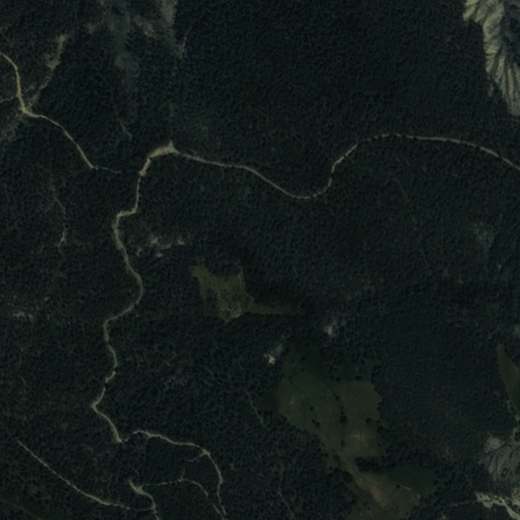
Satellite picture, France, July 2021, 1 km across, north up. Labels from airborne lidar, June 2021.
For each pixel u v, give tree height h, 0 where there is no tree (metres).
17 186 9
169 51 7
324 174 13
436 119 7
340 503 11
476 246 8
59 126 7
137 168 10
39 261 7
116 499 18
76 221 14
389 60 22
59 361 8
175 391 16
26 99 6
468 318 9
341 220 17
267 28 14
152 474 10
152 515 7
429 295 20
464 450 8
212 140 7
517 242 10
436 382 9
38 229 12
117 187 11
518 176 11
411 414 8
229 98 15
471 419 9
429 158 19
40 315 8
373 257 15
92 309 10
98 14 9
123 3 0
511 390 0
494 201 8
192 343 14
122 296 7
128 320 13
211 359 26
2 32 9
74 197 11
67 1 11
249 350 17
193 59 14
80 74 11
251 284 11
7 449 12
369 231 15
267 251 15
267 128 11
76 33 8
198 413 12
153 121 19
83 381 10
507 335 7
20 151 12
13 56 8
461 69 14
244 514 13
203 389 11
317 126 7
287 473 14
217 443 6
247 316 11
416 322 16
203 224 13
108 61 19
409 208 8
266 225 8
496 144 9
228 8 14
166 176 8
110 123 10
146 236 8
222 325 11
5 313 8
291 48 7
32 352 11
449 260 11
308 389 0
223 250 18
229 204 9
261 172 7
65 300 14
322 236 19
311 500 8
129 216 8
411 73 14
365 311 16
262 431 10
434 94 16
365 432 0
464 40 16
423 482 0
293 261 12
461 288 16
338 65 6
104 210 7
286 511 14
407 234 13
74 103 7
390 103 14
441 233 12
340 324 10
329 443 0
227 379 16
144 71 10
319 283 11
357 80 15
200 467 7
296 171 10
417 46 16
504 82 0
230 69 13
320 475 11
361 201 14
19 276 17
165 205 13
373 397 0
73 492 7
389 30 21
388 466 12
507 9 0
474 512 9
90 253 11
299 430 13
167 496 8
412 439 10
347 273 13
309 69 7
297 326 17
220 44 17
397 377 8
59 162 12
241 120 12
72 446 11
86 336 5
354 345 17
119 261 9
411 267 12
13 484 16
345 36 20
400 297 12
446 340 16
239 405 9
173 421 11
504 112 8
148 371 9
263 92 11
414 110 11
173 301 18
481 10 0
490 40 0
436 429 8
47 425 9
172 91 13
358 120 12
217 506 7
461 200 16
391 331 13
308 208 7
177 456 6
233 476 7
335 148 14
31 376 12
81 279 7
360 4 20
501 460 0
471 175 18
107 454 10
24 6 8
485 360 13
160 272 17
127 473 10
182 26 12
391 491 0
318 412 0
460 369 15
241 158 10
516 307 9
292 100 12
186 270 15
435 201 11
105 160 11
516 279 10
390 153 8
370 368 0
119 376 15
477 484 9
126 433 10
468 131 7
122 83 18
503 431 11
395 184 11
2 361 9
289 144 10
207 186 12
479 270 11
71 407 10
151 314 10
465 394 9
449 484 15
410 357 12
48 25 11
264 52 9
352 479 16
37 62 15
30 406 9
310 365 0
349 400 0
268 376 15
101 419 11
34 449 11
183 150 17
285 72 8
